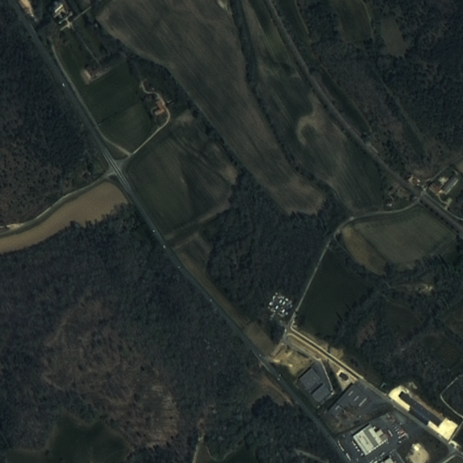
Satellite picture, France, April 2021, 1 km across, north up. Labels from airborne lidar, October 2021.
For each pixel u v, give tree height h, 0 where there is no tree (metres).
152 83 0
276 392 0
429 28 8
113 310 13
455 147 8
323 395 0
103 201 0
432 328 19
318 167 0
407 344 19
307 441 20
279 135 9
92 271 14
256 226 18
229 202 0
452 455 0
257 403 0
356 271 13
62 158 19
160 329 23
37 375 19
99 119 0
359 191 0
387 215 0
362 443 0
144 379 0
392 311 0
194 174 0
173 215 0
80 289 10
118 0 0
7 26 16
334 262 0
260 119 0
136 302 19
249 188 16
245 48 13
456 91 14
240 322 0
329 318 0
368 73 22
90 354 15
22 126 6
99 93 0
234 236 8
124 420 0
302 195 0
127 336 16
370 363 15
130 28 0
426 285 0
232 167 0
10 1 0
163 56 0
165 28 0
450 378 11
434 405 8
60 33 18
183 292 26
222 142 9
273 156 0
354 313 9
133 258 18
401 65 20
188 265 0
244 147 0
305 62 9
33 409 17
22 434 18
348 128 0
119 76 0
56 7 0
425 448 0
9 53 13
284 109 0
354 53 13
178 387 12
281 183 0
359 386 0
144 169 0
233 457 0
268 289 19
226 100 0
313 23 6
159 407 0
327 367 18
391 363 6
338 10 0
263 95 0
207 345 24
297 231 18
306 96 0
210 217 0
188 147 0
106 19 0
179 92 23
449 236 0
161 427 0
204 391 22
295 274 15
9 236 0
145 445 0
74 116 10
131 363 16
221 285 20
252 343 0
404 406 0
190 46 0
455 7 13
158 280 19
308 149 0
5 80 16
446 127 12
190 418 10
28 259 21
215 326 29
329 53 22
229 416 30
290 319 6
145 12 0
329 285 0
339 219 14
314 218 15
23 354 18
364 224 0
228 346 30
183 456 19
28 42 18
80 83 0
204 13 0
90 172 16
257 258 23
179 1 0
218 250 22
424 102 14
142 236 0
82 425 0
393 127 10
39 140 13
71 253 15
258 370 18
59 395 13
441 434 0
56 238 12
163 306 18
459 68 14
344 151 0
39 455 0
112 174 0
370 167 0
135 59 8
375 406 0
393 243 0
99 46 0
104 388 11
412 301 16
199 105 0
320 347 0
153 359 14
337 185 0
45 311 17
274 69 0
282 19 14
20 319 10
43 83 16
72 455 0
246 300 26
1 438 9
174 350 23
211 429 21
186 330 22
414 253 0
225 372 19
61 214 0
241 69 0
